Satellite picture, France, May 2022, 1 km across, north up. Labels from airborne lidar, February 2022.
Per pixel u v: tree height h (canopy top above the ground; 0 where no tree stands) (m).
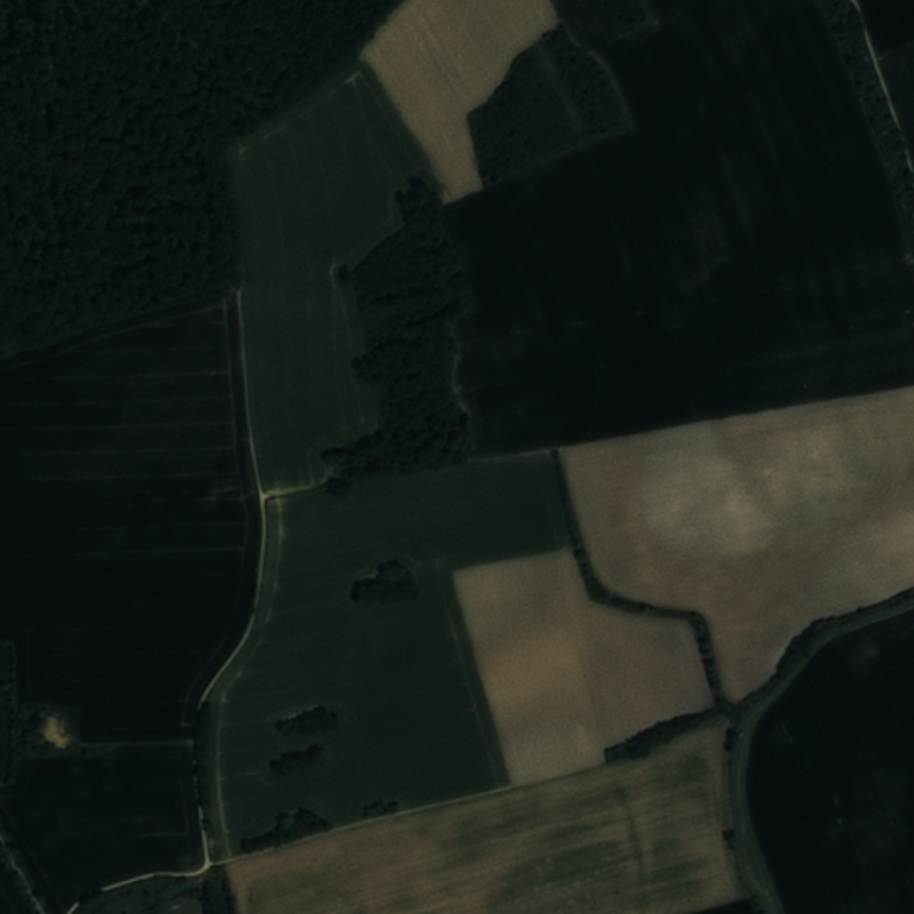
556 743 0
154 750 0
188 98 25
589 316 0
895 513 0
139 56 24
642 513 0
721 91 0
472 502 0
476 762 0
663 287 0
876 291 0
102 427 0
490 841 0
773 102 0
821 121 0
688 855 0
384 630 0
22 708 9
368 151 0
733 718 7
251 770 0
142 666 0
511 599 0
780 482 0
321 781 0
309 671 0
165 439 0
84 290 25
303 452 0
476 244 0
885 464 0
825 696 0
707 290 0
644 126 0
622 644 0
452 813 0
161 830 0
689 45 0
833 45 0
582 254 0
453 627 0
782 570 0
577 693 0
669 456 0
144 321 0
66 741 0
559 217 0
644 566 0
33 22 31
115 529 0
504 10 0
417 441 14
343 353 0
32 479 0
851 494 0
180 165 28
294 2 21
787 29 0
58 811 0
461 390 0
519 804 0
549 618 0
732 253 0
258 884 0
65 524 0
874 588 0
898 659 0
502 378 0
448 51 0
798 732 0
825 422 0
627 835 0
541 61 0
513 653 0
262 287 0
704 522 0
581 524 0
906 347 0
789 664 11
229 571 0
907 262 0
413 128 0
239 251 13
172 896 0
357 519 0
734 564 0
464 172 0
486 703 0
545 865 0
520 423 0
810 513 0
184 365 0
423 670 0
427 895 0
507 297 0
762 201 0
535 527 0
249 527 0
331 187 0
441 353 23
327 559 0
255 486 0
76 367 0
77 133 27
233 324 0
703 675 0
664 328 0
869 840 0
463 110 0
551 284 0
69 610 0
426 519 0
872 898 0
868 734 0
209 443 0
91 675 0
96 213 31
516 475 0
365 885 0
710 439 0
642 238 0
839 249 0
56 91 30
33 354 0
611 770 0
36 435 0
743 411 0
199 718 9
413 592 18
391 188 0
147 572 0
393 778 0
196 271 24
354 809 0
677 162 0
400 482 0
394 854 0
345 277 16
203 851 0
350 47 20
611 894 0
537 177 0
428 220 15
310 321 0
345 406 0
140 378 0
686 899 0
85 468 0
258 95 26
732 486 0
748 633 0
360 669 0
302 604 0
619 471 0
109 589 0
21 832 0
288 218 0
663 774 0
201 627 0
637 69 0
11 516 0
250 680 0
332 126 0
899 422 0
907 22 0
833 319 0
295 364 0
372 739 0
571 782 0
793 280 0
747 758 0
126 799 0
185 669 0
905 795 0
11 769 7
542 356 0
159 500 0
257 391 0
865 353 0
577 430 0
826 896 0
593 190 0
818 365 0
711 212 0
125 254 24
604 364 0
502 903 0
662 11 0
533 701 0
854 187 0
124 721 0
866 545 0
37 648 0
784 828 0
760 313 0
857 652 0
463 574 0
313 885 0
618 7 6
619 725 0
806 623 0
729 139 0
